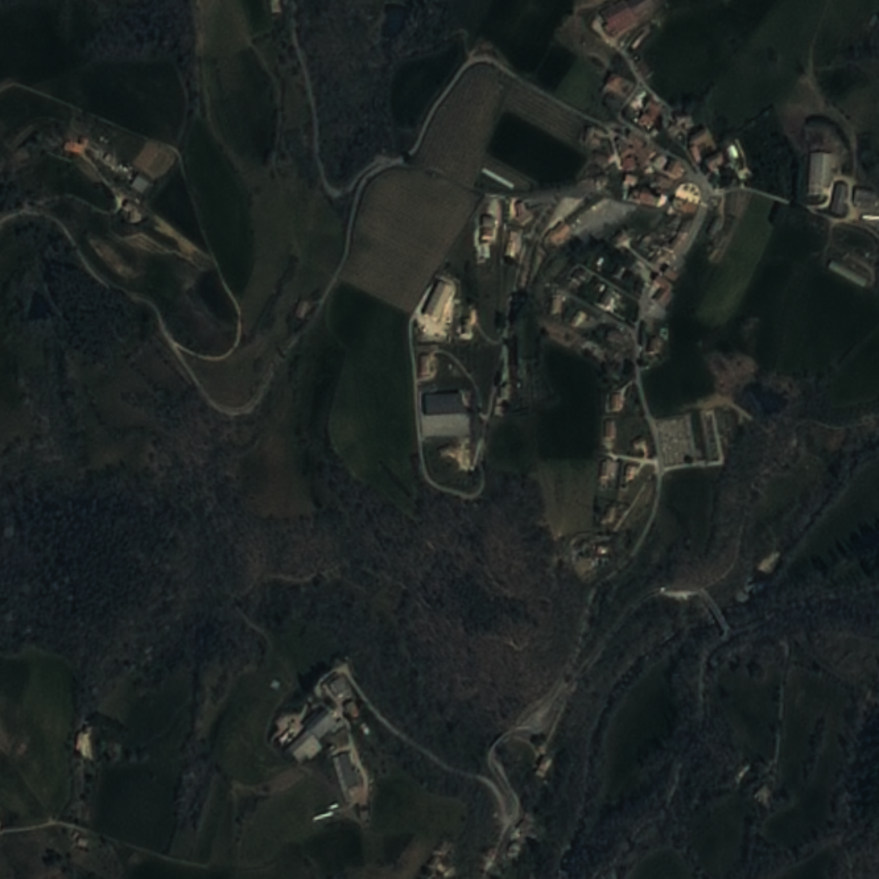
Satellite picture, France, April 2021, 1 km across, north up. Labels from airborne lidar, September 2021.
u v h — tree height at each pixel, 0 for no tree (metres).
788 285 0
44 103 0
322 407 0
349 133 19
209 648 17
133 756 9
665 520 0
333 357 0
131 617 18
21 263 12
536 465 0
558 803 15
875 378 0
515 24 0
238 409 0
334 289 0
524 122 0
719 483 8
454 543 12
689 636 16
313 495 0
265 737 0
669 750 13
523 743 0
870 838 16
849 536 0
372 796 0
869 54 8
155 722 0
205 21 0
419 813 0
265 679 0
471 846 10
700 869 10
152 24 16
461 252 0
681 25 0
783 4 0
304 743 0
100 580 18
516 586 13
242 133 0
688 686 10
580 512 0
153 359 0
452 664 11
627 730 0
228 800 0
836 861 7
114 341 16
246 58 0
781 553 15
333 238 0
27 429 0
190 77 10
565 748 16
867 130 0
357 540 11
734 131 11
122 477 20
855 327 0
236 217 0
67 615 20
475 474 10
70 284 19
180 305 0
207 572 20
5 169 7
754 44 0
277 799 0
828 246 0
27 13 0
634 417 0
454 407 0
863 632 22
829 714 0
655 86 0
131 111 0
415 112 0
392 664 20
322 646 0
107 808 0
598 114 0
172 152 0
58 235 9
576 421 0
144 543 20
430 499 8
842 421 7
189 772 14
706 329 0
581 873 9
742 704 0
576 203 0
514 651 6
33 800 0
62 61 0
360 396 0
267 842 0
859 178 0
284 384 0
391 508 8
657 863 0
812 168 0
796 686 0
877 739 26
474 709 14
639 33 0
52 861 10
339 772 0
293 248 0
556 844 12
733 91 0
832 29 0
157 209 0
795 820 0
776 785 9
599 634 18
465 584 11
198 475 12
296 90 0
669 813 13
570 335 0
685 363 0
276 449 0
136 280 0
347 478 12
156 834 0
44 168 0
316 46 8
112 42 12
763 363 0
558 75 0
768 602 20
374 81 16
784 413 11
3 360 0
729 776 7
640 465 0
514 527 14
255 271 0
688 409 0
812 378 6
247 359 0
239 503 12
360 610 16
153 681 14
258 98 0
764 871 19
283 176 0
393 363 0
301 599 16
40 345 13
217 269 0
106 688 16
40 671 0
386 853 0
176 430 9
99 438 0
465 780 11
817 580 22
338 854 0
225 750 0
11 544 20
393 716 18
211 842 0
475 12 0
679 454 0
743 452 15
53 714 0
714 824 0
